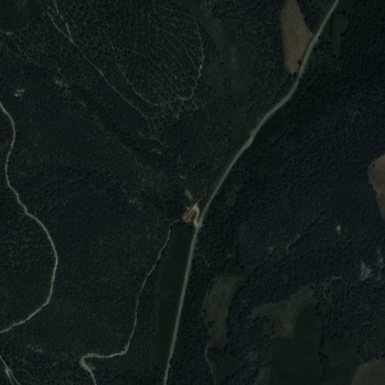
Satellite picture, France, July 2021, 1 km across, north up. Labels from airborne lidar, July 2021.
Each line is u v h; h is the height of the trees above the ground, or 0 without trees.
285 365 0
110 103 7
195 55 9
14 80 11
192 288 7
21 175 6
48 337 9
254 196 14
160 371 16
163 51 8
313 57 0
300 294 0
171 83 12
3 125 11
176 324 0
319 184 11
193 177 12
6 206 17
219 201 10
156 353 0
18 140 11
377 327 11
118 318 8
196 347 14
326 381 0
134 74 11
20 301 6
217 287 0
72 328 10
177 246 0
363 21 12
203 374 12
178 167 12
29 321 7
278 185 12
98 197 10
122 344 9
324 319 13
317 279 13
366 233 11
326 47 9
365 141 16
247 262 11
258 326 19
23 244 8
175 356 15
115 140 6
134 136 8
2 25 6
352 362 0
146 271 9
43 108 11
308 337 0
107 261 8
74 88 10
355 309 10
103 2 13
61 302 8
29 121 8
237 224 8
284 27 0
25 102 10
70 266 9
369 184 8
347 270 12
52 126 9
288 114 16
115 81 9
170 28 11
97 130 8
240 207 10
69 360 9
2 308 7
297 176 13
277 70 14
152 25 9
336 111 7
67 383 13
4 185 15
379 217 10
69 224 14
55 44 11
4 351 9
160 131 11
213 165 12
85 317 9
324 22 0
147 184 6
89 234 10
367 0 18
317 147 9
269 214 6
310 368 0
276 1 11
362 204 11
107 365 13
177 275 0
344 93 12
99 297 12
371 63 26
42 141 7
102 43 14
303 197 12
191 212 0
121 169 7
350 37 9
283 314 0
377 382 0
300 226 11
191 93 7
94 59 13
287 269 15
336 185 9
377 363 0
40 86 14
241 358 14
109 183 9
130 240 7
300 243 11
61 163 9
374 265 8
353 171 11
